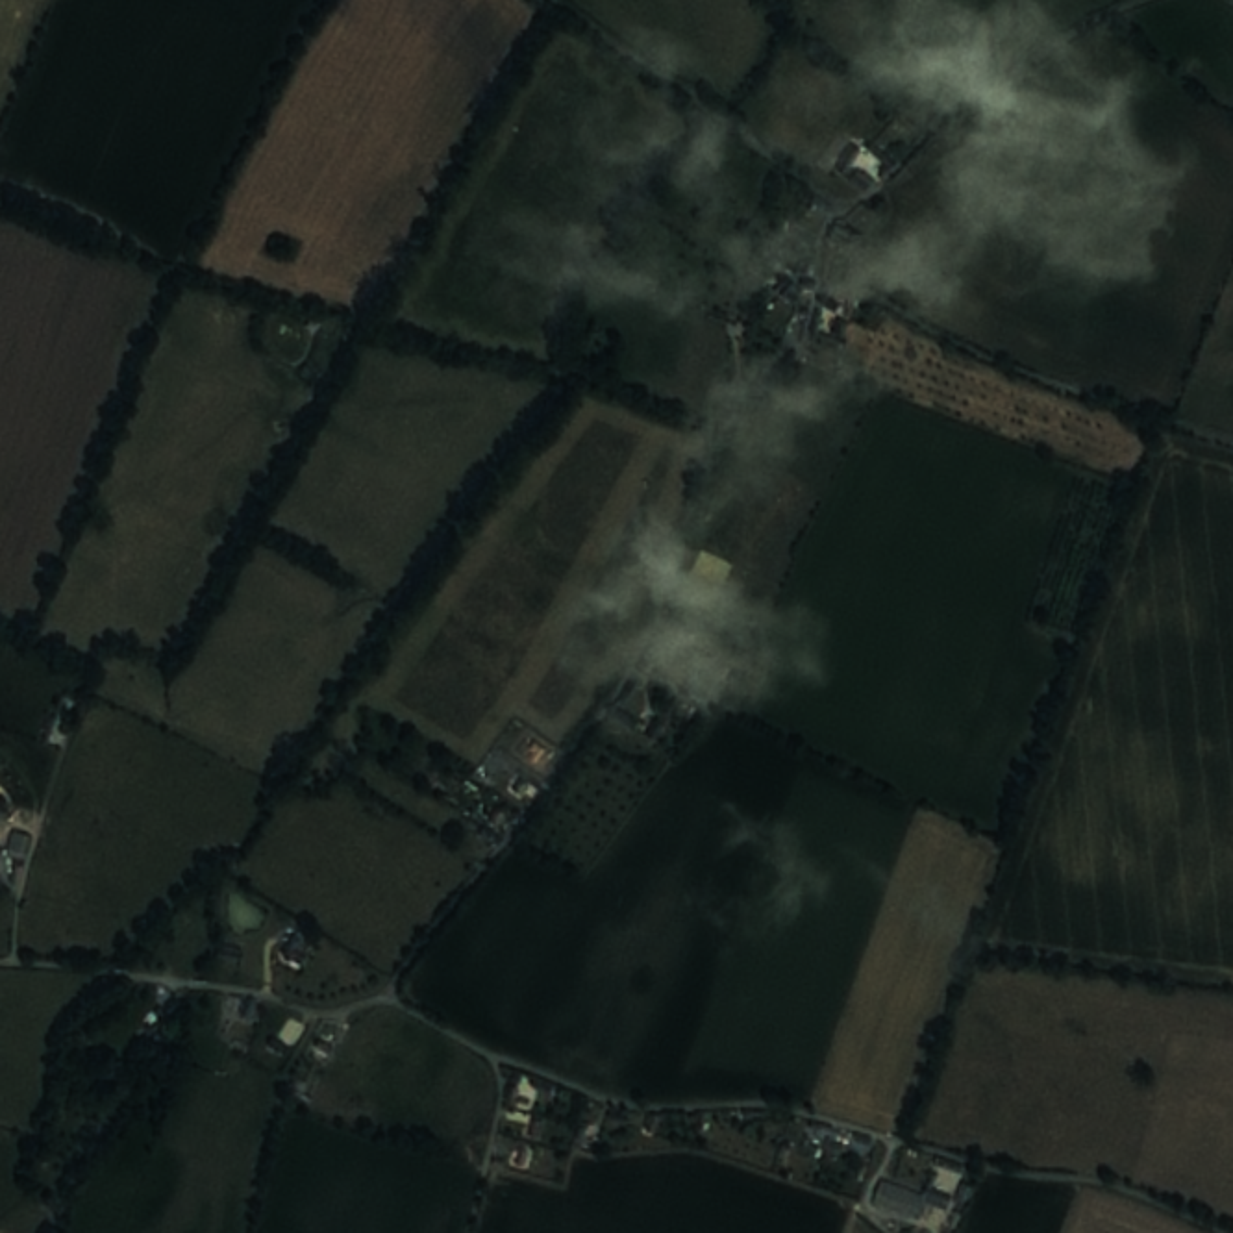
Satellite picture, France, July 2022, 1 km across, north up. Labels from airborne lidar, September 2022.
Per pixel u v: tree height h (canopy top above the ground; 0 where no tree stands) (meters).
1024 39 0
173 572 0
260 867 0
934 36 0
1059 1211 0
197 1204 0
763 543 0
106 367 0
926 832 0
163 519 0
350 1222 0
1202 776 0
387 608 6
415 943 8
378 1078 0
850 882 0
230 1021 0
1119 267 0
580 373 10
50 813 0
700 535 10
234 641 0
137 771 0
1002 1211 0
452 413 0
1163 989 16
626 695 9
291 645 0
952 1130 0
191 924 0
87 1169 14
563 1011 0
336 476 0
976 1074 0
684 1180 0
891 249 0
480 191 0
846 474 0
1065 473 0
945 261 0
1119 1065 0
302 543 15
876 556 0
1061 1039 0
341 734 0
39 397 0
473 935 0
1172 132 0
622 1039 0
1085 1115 0
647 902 0
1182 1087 0
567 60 0
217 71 0
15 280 0
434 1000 0
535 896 0
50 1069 17
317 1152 0
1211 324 11
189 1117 0
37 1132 9
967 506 0
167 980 0
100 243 20
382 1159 0
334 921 0
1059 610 6
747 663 8
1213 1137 0
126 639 14
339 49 0
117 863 0
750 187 0
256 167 0
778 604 0
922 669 0
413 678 0
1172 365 0
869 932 0
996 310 0
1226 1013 0
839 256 0
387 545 0
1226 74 0
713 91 16
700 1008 0
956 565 0
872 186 0
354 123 0
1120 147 0
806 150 0
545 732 0
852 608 0
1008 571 0
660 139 0
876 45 0
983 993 0
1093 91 0
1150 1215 0
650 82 14
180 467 0
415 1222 0
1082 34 18
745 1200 0
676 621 12
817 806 0
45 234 14
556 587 0
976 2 0
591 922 0
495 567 0
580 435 0
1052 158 0
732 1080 0
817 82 0
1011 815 20
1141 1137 0
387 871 0
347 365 16
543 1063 0
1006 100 0
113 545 0
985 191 0
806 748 11
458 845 12
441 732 0
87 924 0
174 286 16
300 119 0
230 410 0
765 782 0
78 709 6
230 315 0
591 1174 0
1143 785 0
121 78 0
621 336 16
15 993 0
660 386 0
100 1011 21
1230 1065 0
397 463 0
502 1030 0
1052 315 0
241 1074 0
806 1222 0
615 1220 0
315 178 0
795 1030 0
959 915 0
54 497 0
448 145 0
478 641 0
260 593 0
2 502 0
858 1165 10
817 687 0
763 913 0
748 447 0
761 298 7
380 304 36
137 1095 15
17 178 0
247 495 0
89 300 0
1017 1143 0
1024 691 0
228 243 0
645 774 8
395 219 0
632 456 0
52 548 0
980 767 0
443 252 0
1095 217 0
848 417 0
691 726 12
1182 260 0
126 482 0
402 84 0
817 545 0
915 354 9
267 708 0
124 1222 0
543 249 0
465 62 0
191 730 0
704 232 0
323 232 0
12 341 0
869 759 0
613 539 0
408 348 16
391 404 0
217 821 0
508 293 0
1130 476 16
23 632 21
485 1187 12
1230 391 0
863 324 7
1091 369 0
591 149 0
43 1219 0
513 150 0
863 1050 0
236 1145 0
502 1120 0
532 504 0
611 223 28
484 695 0
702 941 0
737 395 13
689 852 0
